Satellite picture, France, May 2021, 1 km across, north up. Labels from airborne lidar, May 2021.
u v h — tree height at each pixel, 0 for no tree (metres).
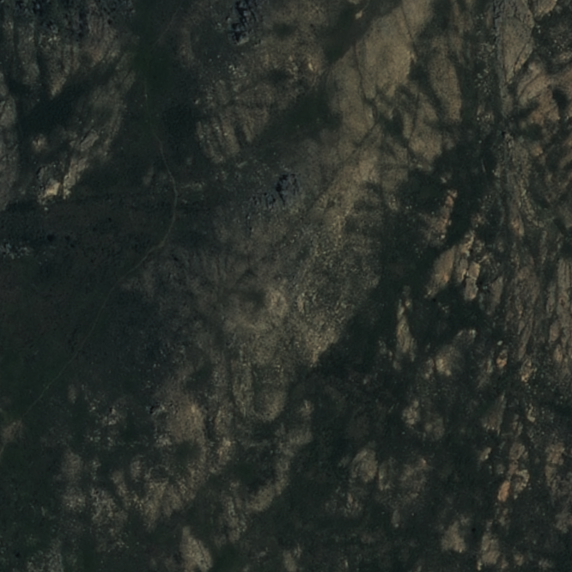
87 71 0
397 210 0
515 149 0
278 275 0
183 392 0
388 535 6
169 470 0
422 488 0
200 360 0
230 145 0
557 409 5
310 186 0
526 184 0
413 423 0
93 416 0
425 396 0
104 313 0
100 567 0
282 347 0
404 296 0
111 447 0
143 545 0
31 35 0
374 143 0
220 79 0
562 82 0
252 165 0
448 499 0
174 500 0
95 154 0
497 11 0
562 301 0
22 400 0
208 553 0
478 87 0
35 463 0
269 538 0
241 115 0
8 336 0
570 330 0
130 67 0
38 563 0
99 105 0
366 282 0
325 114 0
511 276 0
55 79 0
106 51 0
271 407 0
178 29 0
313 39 0
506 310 0
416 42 0
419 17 0
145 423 0
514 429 0
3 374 0
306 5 0
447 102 0
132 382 0
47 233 5
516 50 0
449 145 0
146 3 0
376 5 0
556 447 0
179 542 0
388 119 0
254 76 0
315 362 0
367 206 0
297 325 0
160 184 0
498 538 0
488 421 0
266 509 0
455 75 0
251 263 0
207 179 0
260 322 0
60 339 0
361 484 0
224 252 0
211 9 0
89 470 0
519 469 0
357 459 0
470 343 0
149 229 0
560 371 0
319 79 0
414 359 0
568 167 0
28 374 0
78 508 0
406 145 0
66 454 0
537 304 0
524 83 0
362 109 0
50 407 0
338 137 0
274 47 0
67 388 0
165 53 0
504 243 0
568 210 0
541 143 0
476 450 0
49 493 0
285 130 0
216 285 0
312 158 0
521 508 0
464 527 0
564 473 0
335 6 0
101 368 0
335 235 0
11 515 0
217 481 0
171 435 0
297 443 0
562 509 0
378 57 0
